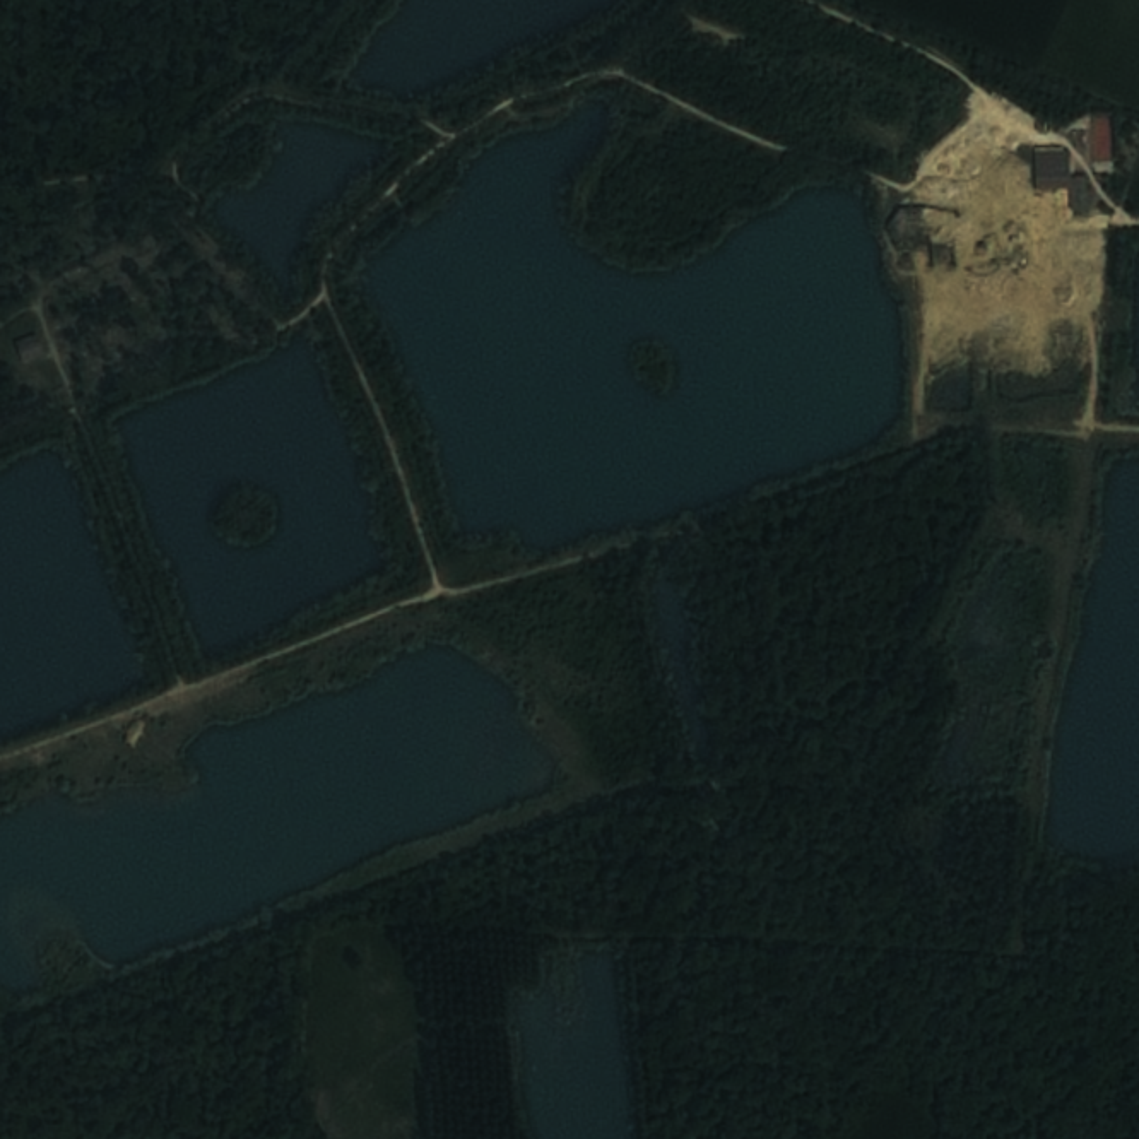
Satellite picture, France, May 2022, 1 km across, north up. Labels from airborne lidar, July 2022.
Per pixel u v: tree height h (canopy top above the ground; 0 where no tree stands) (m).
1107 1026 21
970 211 0
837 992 26
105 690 0
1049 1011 24
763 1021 28
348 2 28
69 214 0
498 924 14
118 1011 16
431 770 0
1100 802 0
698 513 8
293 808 0
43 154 30
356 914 18
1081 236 0
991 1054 20
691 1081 13
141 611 16
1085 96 7
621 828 29
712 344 0
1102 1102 18
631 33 32
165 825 0
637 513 0
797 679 25
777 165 10
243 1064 18
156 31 32
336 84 22
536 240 0
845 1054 23
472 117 17
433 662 0
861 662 19
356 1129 0
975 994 22
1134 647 0
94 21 31
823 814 24
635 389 0
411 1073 0
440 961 29
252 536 12
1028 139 0
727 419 0
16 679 0
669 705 7
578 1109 0
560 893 18
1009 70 10
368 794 0
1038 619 6
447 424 0
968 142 0
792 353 0
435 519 7
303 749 0
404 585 10
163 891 0
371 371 9
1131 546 0
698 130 11
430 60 0
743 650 16
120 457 11
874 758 32
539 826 7
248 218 0
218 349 28
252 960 25
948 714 15
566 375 0
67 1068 22
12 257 0
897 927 22
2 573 0
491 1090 31
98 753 0
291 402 0
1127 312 0
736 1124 25
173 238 21
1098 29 0
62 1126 9
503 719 0
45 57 7
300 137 0
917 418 0
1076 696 0
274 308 13
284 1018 28
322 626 11
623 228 12
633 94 11
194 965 21
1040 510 12
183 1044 23
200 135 20
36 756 0
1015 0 0
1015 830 33
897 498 14
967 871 33
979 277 0
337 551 0
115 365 24
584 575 7
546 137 0
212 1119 15
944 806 6
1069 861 8
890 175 8
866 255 0
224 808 0
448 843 0
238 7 27
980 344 0
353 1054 0
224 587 0
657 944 11
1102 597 0
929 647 20
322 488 0
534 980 9
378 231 7
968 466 19
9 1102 12
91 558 0
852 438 0
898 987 24
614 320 0
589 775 0
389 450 8
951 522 7
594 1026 0
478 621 7
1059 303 0
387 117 8
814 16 9
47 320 0
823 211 0
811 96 8
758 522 18
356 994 0
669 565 29
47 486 0
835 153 11
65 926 0
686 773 22
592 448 0
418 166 7
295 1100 26
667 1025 26
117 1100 30
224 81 25
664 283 0
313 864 0
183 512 0
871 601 10
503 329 0
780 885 27
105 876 0
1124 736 0
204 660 15
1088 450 0
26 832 0
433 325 0
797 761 26
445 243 0
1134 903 25
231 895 0
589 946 8
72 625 0
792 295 0
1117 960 23
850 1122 11
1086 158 0
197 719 0
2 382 25
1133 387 0
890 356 0
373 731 0
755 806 21
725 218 14
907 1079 12
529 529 0
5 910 0
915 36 10
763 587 33
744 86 10
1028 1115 24
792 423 0
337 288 6
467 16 0
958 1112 23
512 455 0
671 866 19
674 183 10
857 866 26
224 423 0
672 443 0
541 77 17
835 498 17
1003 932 22
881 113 9
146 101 29
